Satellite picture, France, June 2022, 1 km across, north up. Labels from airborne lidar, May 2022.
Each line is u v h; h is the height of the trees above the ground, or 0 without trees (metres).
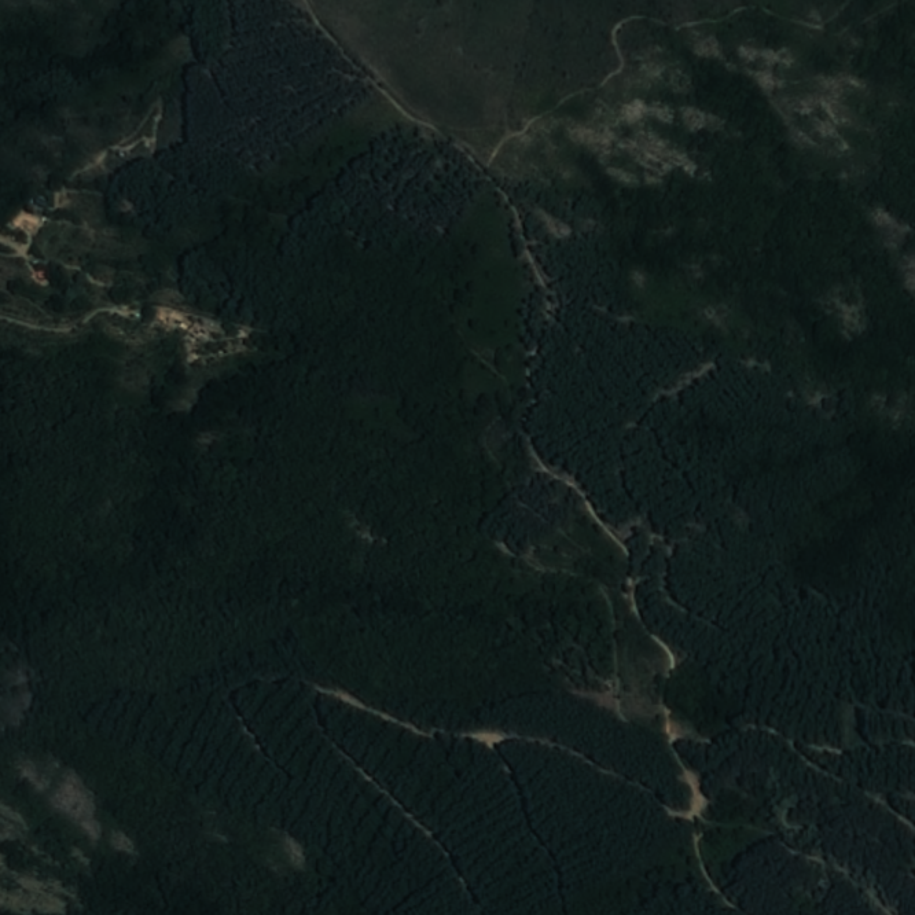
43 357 9
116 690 16
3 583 19
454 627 16
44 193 8
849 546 26
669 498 28
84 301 17
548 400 29
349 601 20
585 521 9
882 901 13
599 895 18
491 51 0
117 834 0
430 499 17
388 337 17
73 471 16
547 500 20
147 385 6
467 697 14
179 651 11
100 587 22
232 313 14
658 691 9
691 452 33
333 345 23
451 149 13
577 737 35
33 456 23
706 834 9
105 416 14
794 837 12
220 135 19
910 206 14
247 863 10
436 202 19
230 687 30
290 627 19
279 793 32
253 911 19
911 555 21
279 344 19
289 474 15
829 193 17
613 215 7
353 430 12
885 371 15
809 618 29
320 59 18
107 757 15
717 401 27
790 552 22
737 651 30
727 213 15
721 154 11
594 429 33
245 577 13
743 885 24
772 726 28
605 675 10
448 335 19
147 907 13
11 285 11
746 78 10
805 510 23
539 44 0
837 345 14
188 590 16
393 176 24
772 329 7
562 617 21
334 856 33
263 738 24
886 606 32
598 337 28
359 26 0
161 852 9
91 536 18
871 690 31
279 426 16
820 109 6
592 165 11
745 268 12
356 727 30
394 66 0
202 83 21
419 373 23
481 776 27
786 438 22
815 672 32
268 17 19
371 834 18
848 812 23
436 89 0
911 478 26
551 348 30
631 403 29
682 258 7
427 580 21
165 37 9
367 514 12
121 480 16
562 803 36
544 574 9
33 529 18
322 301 21
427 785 24
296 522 15
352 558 8
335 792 28
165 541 15
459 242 11
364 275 14
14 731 8
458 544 16
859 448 23
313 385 17
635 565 22
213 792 26
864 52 12
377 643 16
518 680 15
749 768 23
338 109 18
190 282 25
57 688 13
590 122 0
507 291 0
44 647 13
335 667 13
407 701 18
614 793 33
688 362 26
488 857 34
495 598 17
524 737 31
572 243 24
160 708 31
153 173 24
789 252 15
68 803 0
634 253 16
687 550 28
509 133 0
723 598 27
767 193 15
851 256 16
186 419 22
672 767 30
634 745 31
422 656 16
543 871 19
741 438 32
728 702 16
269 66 21
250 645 15
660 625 22
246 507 17
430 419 19
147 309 13
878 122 8
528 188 19
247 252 22
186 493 12
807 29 0
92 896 17
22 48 12
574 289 23
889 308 20
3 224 10
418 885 21
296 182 8
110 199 18
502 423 6
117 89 0
